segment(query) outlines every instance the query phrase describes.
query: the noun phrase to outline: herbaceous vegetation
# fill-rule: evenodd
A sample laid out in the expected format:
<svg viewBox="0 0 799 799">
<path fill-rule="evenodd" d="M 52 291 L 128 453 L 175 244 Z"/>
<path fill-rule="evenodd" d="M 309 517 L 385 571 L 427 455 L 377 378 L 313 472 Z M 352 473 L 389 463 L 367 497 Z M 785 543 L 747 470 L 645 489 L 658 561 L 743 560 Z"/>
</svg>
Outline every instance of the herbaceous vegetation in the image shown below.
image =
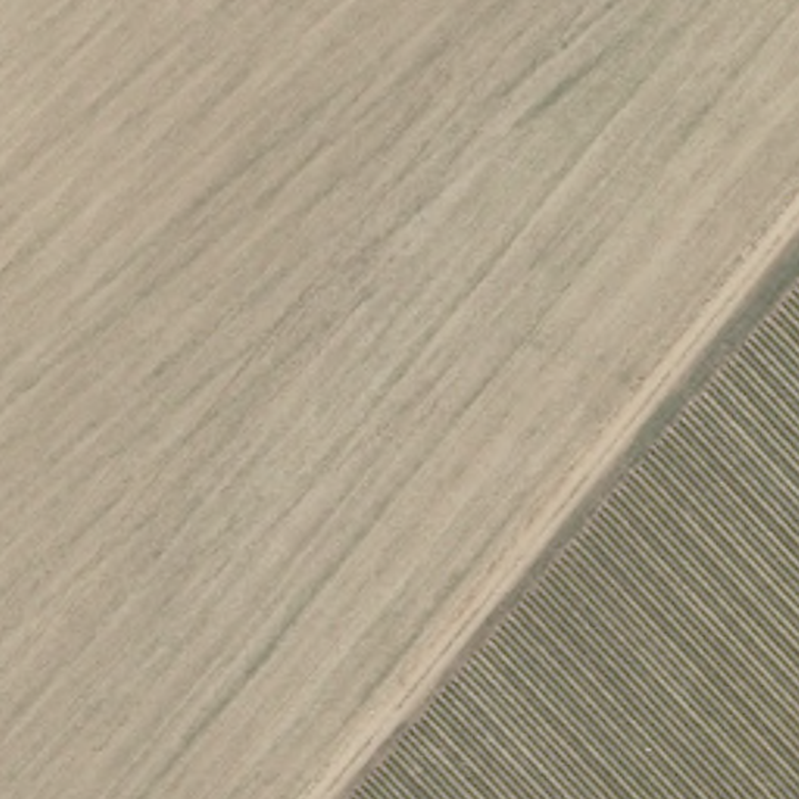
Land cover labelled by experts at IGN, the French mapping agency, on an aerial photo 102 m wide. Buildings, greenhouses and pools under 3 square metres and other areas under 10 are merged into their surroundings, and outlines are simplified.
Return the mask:
<svg viewBox="0 0 799 799">
<path fill-rule="evenodd" d="M 605 521 L 618 496 L 627 493 L 627 487 L 634 487 L 634 481 L 652 465 L 655 453 L 665 449 L 665 443 L 690 421 L 690 415 L 702 409 L 712 390 L 724 381 L 724 375 L 743 362 L 743 356 L 765 337 L 765 331 L 774 321 L 783 318 L 793 300 L 799 300 L 799 234 L 765 272 L 765 278 L 743 300 L 743 306 L 727 318 L 727 325 L 712 337 L 712 343 L 680 378 L 680 384 L 646 418 L 646 424 L 612 462 L 612 468 L 596 481 L 596 487 L 584 496 L 571 518 L 552 534 L 552 540 L 527 565 L 518 584 L 493 605 L 493 612 L 481 621 L 481 627 L 459 649 L 459 655 L 443 668 L 440 680 L 412 715 L 421 715 L 424 721 L 434 718 L 434 708 L 449 696 L 449 690 L 474 668 L 474 662 L 499 640 L 499 634 L 515 618 L 527 612 L 531 599 L 559 571 L 559 562 Z"/>
</svg>

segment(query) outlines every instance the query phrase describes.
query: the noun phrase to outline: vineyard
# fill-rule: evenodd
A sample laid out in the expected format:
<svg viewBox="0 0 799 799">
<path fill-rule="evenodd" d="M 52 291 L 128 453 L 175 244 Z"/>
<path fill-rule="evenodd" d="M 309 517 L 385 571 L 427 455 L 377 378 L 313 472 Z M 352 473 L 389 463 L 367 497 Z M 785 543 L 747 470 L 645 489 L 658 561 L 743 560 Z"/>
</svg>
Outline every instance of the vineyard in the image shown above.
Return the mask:
<svg viewBox="0 0 799 799">
<path fill-rule="evenodd" d="M 390 737 L 362 765 L 362 771 L 350 780 L 340 799 L 799 799 L 799 300 L 793 300 L 783 318 L 774 321 L 765 331 L 765 337 L 743 356 L 743 362 L 724 375 L 724 381 L 712 390 L 702 409 L 690 415 L 690 421 L 665 443 L 665 449 L 655 453 L 652 465 L 634 481 L 634 487 L 627 487 L 627 493 L 618 496 L 605 521 L 559 562 L 559 571 L 531 599 L 527 612 L 515 618 L 499 634 L 499 640 L 474 662 L 474 668 L 449 690 L 449 696 L 434 708 L 434 718 L 424 721 L 421 715 L 412 715 L 390 730 Z"/>
</svg>

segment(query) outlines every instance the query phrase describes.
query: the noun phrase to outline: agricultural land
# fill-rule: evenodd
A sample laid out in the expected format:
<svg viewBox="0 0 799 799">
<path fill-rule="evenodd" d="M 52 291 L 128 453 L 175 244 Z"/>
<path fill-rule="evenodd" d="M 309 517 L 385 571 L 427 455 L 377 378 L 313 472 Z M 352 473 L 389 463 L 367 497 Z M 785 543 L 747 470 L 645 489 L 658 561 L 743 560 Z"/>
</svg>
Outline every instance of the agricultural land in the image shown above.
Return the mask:
<svg viewBox="0 0 799 799">
<path fill-rule="evenodd" d="M 440 615 L 449 624 L 465 615 L 465 605 L 474 602 L 484 581 L 506 559 L 506 549 L 515 546 L 518 534 L 537 521 L 543 506 L 559 493 L 565 478 L 584 459 L 584 453 L 593 449 L 605 424 L 630 400 L 630 393 L 637 393 L 643 381 L 662 365 L 671 346 L 690 331 L 699 312 L 715 300 L 727 278 L 743 265 L 743 259 L 758 247 L 768 228 L 783 215 L 783 209 L 799 197 L 799 0 L 0 0 L 0 799 L 300 799 L 303 793 L 309 793 L 312 783 L 321 780 L 325 768 L 331 765 L 331 755 L 350 737 L 350 727 L 365 715 L 368 702 L 396 671 L 396 665 L 418 646 L 434 618 Z"/>
</svg>

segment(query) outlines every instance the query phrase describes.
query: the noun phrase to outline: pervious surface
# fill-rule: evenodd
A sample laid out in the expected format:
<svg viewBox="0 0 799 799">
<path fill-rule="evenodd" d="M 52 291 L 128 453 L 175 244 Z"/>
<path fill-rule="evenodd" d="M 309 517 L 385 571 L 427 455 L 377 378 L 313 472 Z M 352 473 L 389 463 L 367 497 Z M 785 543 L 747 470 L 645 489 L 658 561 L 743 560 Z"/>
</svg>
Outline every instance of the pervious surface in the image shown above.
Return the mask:
<svg viewBox="0 0 799 799">
<path fill-rule="evenodd" d="M 325 768 L 321 780 L 312 783 L 309 793 L 303 793 L 300 799 L 340 799 L 350 780 L 362 771 L 362 765 L 390 737 L 390 730 L 412 715 L 440 680 L 443 668 L 459 655 L 459 649 L 481 627 L 481 621 L 493 612 L 493 605 L 518 584 L 527 565 L 552 540 L 552 534 L 571 518 L 584 496 L 596 487 L 596 481 L 612 468 L 612 462 L 646 424 L 646 418 L 680 384 L 680 378 L 712 343 L 712 337 L 727 325 L 727 318 L 743 306 L 743 300 L 765 278 L 765 272 L 799 234 L 799 197 L 783 209 L 783 215 L 768 228 L 758 247 L 743 259 L 743 265 L 727 278 L 715 300 L 699 312 L 690 331 L 671 346 L 662 365 L 643 381 L 637 393 L 630 393 L 630 400 L 605 424 L 593 449 L 584 453 L 584 459 L 565 478 L 559 493 L 543 506 L 537 521 L 518 534 L 515 546 L 506 549 L 506 559 L 484 581 L 474 602 L 465 605 L 465 615 L 449 624 L 440 615 L 434 618 L 418 646 L 396 665 L 396 671 L 368 702 L 365 715 L 350 727 L 350 737 L 331 755 L 331 765 Z"/>
</svg>

